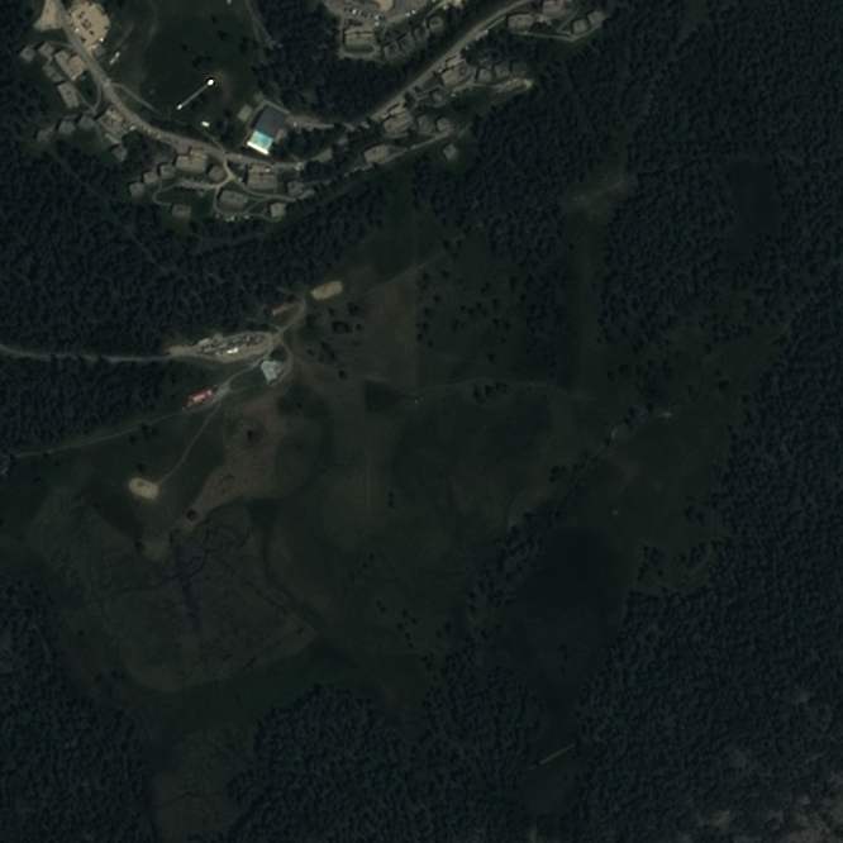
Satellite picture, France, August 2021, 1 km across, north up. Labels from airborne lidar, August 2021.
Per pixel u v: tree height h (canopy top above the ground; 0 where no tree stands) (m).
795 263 19
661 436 0
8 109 10
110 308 15
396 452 0
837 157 9
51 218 25
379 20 0
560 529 0
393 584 0
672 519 0
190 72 0
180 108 0
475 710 13
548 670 0
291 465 0
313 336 0
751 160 0
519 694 13
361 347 0
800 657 15
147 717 0
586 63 19
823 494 14
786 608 14
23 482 0
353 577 0
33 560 0
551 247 20
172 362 10
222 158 0
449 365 0
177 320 19
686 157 10
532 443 0
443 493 0
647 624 13
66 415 17
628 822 15
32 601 8
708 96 18
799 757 9
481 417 0
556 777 0
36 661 16
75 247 24
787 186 18
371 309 0
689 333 0
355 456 0
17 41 13
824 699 16
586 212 0
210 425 0
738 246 0
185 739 0
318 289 0
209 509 0
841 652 14
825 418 18
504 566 19
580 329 0
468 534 0
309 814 13
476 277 0
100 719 24
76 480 0
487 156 22
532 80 0
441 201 22
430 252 0
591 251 0
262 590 0
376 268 0
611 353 0
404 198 0
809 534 16
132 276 20
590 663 0
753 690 16
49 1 0
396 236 0
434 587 0
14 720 15
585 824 19
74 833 19
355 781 18
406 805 19
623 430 0
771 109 13
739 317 0
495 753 17
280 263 20
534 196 20
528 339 0
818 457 15
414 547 0
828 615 16
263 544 0
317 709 15
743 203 0
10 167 16
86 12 0
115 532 0
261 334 0
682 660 18
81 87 0
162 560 0
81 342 15
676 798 14
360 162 0
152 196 0
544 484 0
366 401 0
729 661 13
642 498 0
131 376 15
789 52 17
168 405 0
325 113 20
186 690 0
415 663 0
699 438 0
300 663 0
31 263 0
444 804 20
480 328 0
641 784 15
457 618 0
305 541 0
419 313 0
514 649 0
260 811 18
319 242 24
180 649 0
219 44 0
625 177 0
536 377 0
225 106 0
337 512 0
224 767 0
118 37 0
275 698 0
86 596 0
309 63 12
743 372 0
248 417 0
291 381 0
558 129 19
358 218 16
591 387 0
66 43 0
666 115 10
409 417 0
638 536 0
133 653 0
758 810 10
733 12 15
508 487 0
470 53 15
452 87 0
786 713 15
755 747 13
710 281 17
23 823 18
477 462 0
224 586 0
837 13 16
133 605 0
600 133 8
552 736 0
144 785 13
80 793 14
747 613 19
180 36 0
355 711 19
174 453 0
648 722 20
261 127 0
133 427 0
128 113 0
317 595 0
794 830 10
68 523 0
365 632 0
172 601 0
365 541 0
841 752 10
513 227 13
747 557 17
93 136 0
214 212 0
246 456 0
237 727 0
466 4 12
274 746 16
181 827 0
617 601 0
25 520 0
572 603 0
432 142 0
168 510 0
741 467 17
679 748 17
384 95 12
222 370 0
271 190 0
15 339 11
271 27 18
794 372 16
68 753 20
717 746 16
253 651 0
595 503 0
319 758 18
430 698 10
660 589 0
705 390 0
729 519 7
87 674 0
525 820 9
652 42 22
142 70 0
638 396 0
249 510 0
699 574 0
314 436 0
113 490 0
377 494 0
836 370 8
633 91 17
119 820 9
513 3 0
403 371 0
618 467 0
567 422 0
